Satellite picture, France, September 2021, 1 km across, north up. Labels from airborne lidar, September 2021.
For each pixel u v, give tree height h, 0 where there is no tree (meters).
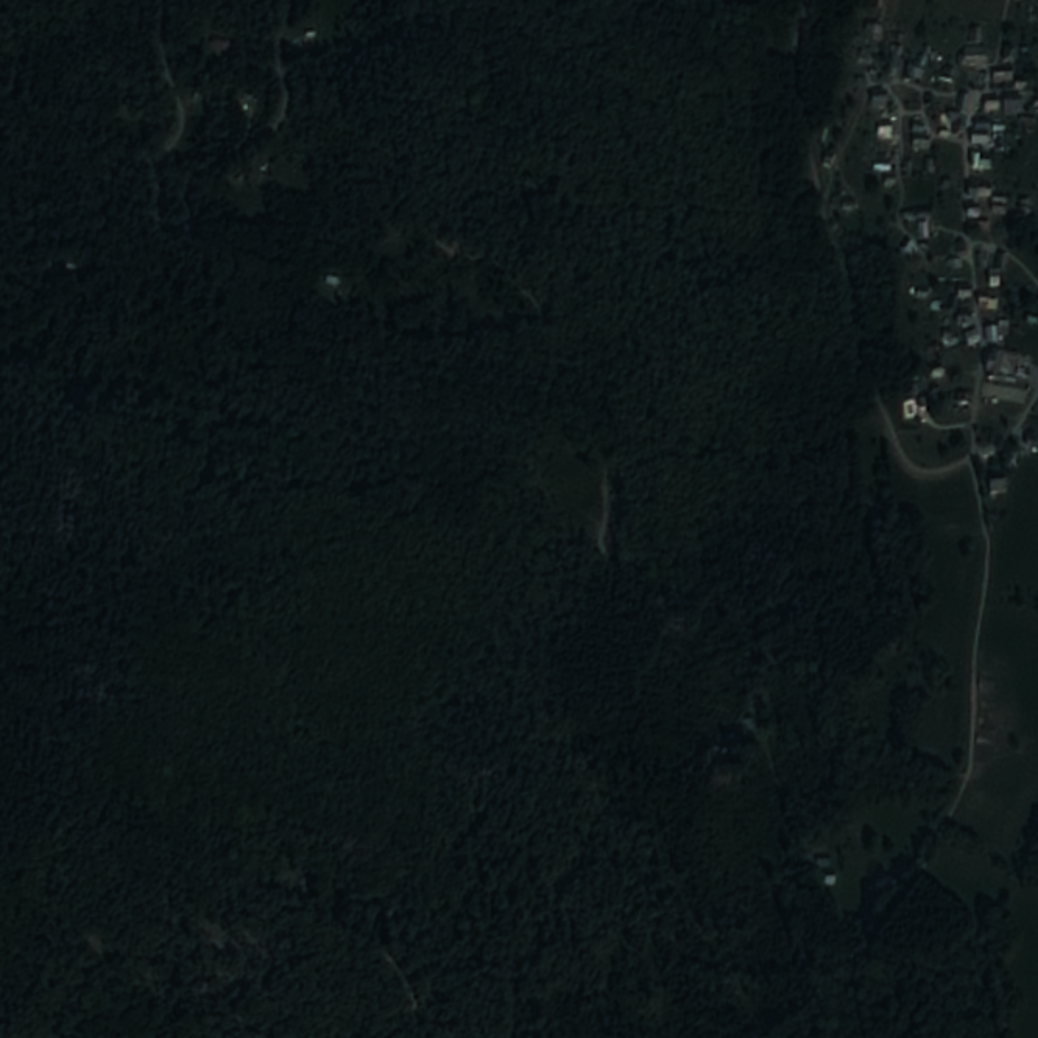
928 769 18
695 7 27
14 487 24
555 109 25
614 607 26
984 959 21
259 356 32
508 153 24
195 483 26
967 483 0
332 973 25
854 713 25
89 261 25
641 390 23
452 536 29
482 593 25
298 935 27
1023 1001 21
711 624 7
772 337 19
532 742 28
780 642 13
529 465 26
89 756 26
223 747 24
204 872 23
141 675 25
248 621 25
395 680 23
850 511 13
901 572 26
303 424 30
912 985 20
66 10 22
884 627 26
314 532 26
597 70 32
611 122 26
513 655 23
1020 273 0
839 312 29
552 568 23
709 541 32
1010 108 0
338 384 25
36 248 29
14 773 24
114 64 24
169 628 27
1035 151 0
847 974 22
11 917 28
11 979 25
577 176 23
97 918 29
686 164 30
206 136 17
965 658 0
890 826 0
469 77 25
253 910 26
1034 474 0
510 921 24
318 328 19
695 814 9
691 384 20
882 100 0
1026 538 0
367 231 20
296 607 25
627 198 25
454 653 23
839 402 20
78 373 12
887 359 24
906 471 0
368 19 10
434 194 23
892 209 13
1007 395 0
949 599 0
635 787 7
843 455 16
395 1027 25
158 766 27
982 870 0
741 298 22
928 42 7
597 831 23
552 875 26
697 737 9
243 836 24
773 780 8
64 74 24
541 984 28
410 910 34
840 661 26
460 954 29
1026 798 0
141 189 24
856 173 0
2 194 26
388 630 23
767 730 22
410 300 0
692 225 24
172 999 31
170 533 31
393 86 26
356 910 30
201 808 26
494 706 22
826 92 18
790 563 24
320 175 16
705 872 6
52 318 26
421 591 23
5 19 31
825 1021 26
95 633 31
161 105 19
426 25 24
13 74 23
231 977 29
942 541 0
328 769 30
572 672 29
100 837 27
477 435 28
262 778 30
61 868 25
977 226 9
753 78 25
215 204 10
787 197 22
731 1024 14
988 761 0
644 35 27
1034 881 11
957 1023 23
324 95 18
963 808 0
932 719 0
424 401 26
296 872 29
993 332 0
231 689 22
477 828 11
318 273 20
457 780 26
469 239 29
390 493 38
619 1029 14
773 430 27
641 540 20
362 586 25
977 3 0
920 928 31
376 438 29
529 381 20
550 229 22
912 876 20
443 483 27
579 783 24
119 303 25
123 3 26
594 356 22
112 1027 31
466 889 25
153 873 26
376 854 23
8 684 25
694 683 7
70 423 28
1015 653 0
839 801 22
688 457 36
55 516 32
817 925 24
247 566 32
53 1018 25
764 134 20
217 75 18
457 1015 20
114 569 27
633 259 23
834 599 23
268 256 28
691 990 10
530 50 26
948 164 0
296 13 19
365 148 13
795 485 23
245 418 11
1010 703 0
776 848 6
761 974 7
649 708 10
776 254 31
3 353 27
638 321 22
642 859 22
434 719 27
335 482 30
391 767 21
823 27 10
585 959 20
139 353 8
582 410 20
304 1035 29
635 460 32
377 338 22
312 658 19
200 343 16
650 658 25
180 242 28
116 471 24
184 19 20
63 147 25
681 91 18
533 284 25
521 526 27
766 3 16
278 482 33
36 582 26
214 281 30
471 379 21
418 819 19
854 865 0
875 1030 25
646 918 22
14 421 21
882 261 23
